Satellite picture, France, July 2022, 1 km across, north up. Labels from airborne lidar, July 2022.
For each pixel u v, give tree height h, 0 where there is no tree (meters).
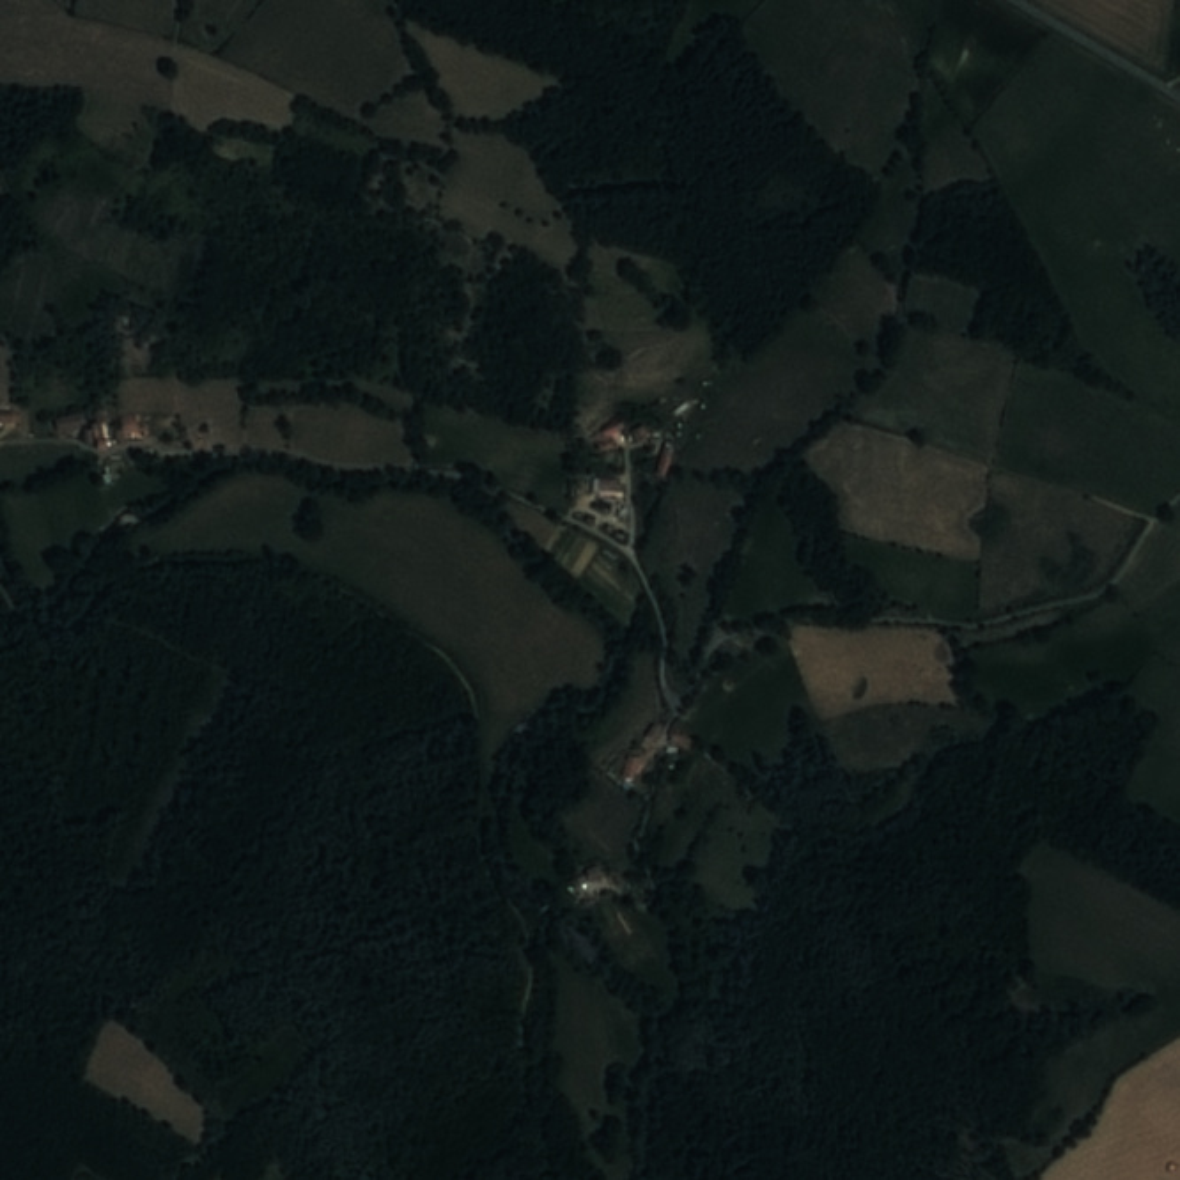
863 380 15
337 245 14
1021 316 11
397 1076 22
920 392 0
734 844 0
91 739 7
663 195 26
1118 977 0
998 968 19
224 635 12
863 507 0
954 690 11
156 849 9
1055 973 0
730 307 19
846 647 0
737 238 19
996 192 13
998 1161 13
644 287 14
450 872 21
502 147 0
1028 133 0
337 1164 16
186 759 14
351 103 0
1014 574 0
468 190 0
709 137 18
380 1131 21
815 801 21
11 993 17
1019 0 0
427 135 0
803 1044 17
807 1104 13
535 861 0
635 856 11
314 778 25
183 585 15
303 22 0
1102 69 0
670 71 16
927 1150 14
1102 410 0
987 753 9
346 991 7
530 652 0
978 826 14
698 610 0
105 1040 0
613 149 17
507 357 14
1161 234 0
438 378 7
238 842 22
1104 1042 0
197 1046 9
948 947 8
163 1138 5
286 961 26
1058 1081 0
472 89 0
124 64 0
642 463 7
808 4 0
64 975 11
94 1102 7
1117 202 0
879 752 0
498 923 11
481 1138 10
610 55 18
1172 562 0
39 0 0
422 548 0
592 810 0
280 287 7
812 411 0
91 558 17
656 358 0
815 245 18
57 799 16
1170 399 0
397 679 9
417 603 0
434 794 21
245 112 0
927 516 0
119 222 7
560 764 25
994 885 11
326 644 9
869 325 0
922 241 16
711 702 0
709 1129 20
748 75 12
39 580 0
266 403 16
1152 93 0
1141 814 16
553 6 10
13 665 12
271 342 8
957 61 0
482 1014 18
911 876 12
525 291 14
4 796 16
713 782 0
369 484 11
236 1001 25
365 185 9
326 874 21
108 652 6
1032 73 0
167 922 19
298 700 18
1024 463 0
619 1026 0
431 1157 11
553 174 15
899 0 0
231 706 14
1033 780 14
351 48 0
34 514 0
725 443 0
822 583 10
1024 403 0
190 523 0
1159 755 0
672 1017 18
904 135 16
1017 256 17
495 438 0
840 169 10
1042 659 0
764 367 0
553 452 0
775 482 12
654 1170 15
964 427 0
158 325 10
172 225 16
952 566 0
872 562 0
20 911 17
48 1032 14
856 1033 16
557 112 20
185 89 0
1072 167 0
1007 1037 10
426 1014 21
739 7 0
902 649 0
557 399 9
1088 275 0
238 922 21
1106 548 0
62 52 0
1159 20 0
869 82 0
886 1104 14
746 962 17
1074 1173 0
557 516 16
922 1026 18
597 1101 0
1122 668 0
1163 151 0
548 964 8
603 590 0
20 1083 8
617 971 15
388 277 19
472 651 0
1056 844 15
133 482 0
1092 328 0
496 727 0
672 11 9
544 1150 16
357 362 18
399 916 23
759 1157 17
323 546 0
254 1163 15
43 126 15
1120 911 0
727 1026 10
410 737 23
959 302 0
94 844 12
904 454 0
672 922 13
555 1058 13
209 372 9
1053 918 0
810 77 0
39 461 0
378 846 16
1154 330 0
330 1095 18
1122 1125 0
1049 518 0
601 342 16
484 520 13
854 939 17
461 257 0
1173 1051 0
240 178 7
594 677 0
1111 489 0
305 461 8
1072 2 0
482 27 16
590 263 7
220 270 17
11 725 10
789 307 16
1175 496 0
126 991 13
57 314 18
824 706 0
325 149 7
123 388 0
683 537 0
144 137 0
